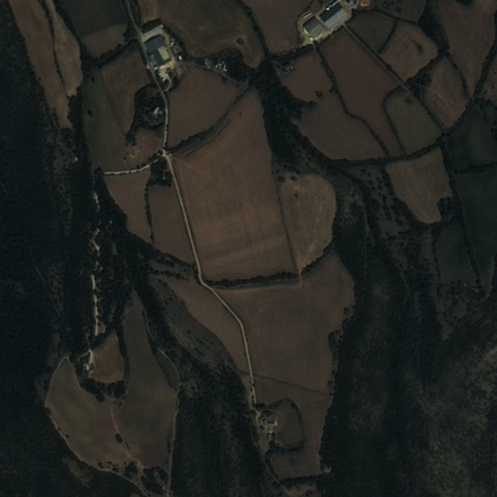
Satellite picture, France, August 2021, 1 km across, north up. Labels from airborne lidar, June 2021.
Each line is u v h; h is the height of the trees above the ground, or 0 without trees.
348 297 0
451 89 0
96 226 10
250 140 0
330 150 0
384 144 8
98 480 6
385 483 9
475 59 0
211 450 7
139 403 0
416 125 0
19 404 6
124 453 0
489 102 10
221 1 0
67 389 0
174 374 0
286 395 0
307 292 0
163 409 0
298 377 0
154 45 0
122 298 9
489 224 0
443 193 0
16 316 9
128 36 10
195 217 0
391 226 0
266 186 0
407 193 0
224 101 0
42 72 0
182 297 0
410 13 0
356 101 0
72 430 0
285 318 0
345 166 9
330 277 0
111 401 0
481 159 0
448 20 0
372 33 0
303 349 0
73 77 0
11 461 6
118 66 0
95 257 9
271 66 11
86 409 0
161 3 0
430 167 0
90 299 8
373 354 5
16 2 0
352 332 9
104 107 0
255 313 0
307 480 10
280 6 0
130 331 0
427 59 0
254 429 7
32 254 7
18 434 5
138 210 0
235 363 0
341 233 8
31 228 5
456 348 7
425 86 9
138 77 0
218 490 8
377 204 12
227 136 0
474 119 0
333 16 0
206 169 0
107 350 0
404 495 9
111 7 0
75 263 7
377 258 6
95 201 8
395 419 12
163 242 0
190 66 0
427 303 9
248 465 6
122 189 0
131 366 0
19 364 6
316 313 0
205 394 6
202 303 0
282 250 0
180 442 8
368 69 0
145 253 10
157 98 7
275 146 8
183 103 0
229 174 0
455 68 8
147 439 0
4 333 6
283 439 0
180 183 0
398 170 0
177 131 0
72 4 0
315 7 0
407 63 0
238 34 0
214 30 0
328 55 0
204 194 0
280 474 0
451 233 0
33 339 6
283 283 0
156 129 11
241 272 0
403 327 8
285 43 0
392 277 7
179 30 0
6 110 5
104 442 0
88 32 0
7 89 8
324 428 7
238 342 0
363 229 11
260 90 8
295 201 0
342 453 14
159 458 0
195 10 0
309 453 0
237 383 8
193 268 6
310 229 0
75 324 7
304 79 0
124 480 7
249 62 0
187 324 0
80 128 13
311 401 0
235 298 0
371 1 0
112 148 0
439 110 0
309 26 0
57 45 0
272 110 13
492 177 0
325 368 0
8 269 9
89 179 9
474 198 0
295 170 7
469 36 0
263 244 0
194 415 6
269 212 0
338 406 12
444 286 6
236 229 0
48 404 0
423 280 7
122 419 0
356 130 0
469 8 0
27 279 6
